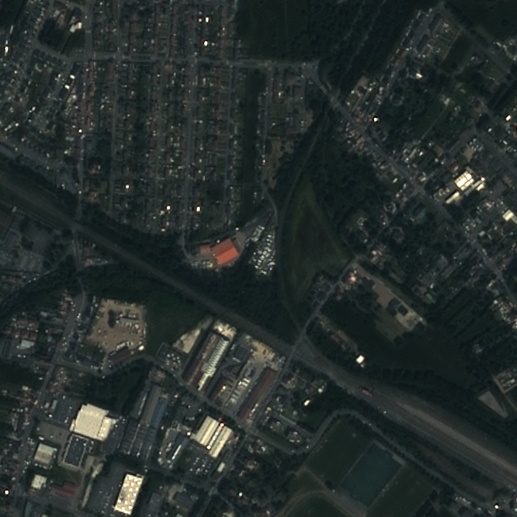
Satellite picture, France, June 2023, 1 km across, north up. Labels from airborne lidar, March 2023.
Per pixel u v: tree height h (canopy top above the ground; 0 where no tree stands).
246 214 0
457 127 0
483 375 11
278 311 10
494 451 0
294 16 0
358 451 0
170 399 0
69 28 0
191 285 7
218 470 0
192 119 0
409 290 11
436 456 0
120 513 0
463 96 0
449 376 0
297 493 0
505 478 0
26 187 0
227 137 0
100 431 0
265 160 0
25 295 9
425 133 0
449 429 0
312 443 0
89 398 10
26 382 0
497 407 0
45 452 0
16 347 0
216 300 12
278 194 12
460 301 0
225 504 15
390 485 0
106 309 0
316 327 0
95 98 0
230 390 0
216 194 0
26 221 16
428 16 0
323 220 0
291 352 0
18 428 0
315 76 0
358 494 0
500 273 0
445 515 0
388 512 0
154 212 0
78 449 0
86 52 0
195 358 0
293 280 0
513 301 0
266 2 0
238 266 17
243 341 0
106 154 6
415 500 0
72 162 11
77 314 0
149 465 0
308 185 0
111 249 0
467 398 9
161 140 0
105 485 0
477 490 0
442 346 0
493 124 0
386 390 0
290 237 0
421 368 0
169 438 0
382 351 0
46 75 0
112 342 0
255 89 0
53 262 8
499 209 0
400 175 0
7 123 0
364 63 16
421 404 0
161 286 9
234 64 0
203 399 0
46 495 0
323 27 17
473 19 0
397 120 6
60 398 0
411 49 0
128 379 0
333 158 0
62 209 0
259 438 0
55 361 0
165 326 0
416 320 0
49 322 8
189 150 0
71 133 0
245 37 0
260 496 12
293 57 6
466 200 17
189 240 6
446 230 11
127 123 0
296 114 0
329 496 0
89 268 5
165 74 0
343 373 0
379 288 0
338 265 0
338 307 0
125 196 6
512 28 0
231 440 0
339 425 0
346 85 18
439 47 0
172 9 0
